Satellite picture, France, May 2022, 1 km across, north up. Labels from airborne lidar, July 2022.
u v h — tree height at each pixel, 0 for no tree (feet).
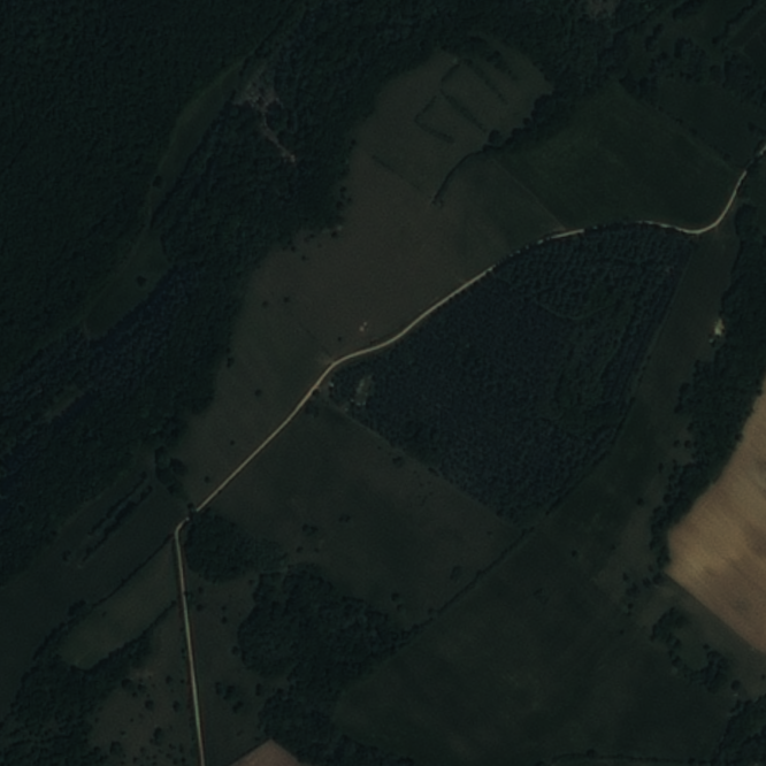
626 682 0
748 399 59
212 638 0
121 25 55
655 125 0
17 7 61
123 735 21
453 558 0
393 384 37
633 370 33
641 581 0
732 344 50
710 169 0
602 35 38
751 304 71
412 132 0
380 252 0
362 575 0
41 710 26
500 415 34
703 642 0
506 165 0
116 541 0
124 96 33
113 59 53
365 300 0
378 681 0
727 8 0
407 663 0
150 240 0
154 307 65
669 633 18
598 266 56
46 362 39
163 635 0
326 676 45
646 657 0
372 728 0
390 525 0
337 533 0
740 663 0
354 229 0
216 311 30
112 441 81
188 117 0
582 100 38
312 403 25
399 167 0
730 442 51
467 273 0
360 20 82
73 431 85
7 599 0
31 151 27
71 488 58
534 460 25
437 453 45
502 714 0
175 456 0
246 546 34
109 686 27
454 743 0
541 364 32
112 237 69
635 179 0
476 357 33
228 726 0
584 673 0
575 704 0
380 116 0
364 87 65
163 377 64
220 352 48
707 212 0
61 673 60
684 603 0
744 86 56
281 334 0
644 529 0
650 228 51
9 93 54
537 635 0
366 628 28
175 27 46
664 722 0
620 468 0
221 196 75
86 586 0
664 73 43
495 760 0
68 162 37
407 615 0
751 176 48
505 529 0
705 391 61
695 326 0
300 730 73
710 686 37
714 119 0
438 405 31
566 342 32
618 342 35
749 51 0
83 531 0
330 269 0
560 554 0
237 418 0
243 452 0
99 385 103
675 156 0
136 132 48
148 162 54
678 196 0
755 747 59
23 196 29
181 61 41
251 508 0
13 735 26
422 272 0
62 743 33
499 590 0
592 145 0
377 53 68
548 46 58
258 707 0
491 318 36
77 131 33
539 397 39
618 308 42
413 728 0
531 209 0
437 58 0
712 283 0
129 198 60
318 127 77
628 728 0
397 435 27
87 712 30
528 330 32
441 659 0
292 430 0
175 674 0
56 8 59
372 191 0
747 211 56
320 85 62
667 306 35
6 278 36
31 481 62
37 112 39
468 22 70
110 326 0
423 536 0
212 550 60
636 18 42
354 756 76
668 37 0
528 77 0
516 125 0
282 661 62
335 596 67
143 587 0
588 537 0
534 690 0
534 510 29
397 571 0
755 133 48
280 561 26
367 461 0
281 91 60
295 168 60
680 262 42
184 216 57
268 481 0
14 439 37
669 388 0
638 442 0
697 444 28
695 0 38
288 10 57
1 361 65
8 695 0
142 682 22
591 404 33
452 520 0
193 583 0
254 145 73
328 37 80
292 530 0
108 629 0
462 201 0
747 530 0
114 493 0
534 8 80
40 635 0
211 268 64
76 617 44
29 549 51
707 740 0
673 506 53
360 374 26
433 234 0
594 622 0
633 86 63
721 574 0
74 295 69
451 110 0
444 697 0
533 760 0
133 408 73
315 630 50
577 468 51
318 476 0
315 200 75
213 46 41
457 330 39
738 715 31
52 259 29
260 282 0
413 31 85
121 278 0
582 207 0
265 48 54
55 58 31
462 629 0
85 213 27
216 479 0
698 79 58
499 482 46
